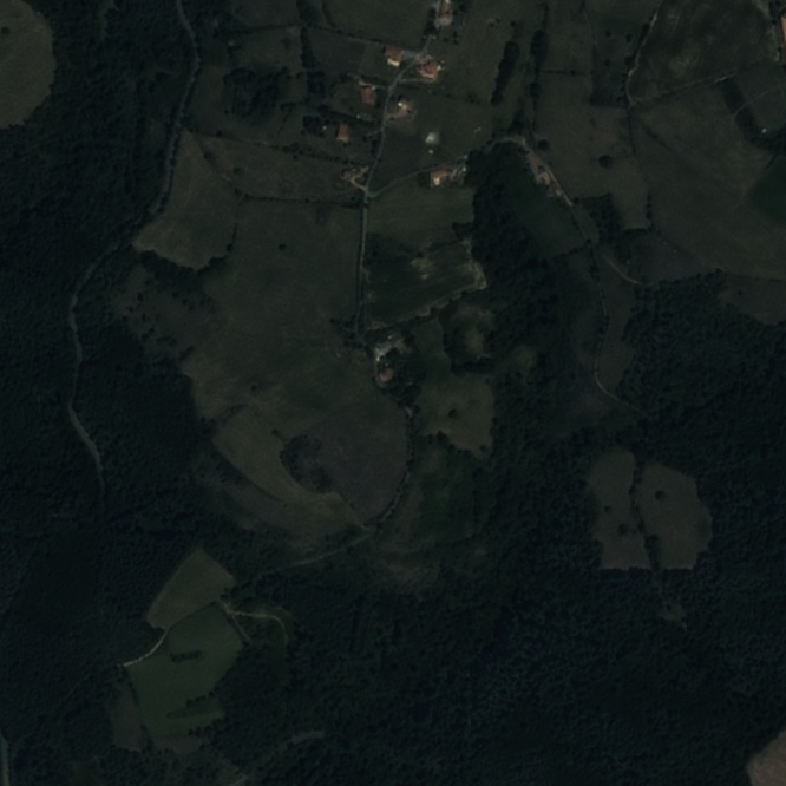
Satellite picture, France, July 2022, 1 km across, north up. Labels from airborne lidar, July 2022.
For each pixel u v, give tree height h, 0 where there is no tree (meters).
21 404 16
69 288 11
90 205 17
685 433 18
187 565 0
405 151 0
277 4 0
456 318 0
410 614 16
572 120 0
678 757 14
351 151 0
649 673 23
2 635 19
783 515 22
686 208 0
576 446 10
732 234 0
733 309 6
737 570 23
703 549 0
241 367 0
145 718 0
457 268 0
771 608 16
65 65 12
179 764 12
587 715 22
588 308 0
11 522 22
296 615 27
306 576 6
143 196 7
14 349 17
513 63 14
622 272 0
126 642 13
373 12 0
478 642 29
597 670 27
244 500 0
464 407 0
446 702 20
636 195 0
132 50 23
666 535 0
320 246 0
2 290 8
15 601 19
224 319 0
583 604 11
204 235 0
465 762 20
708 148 0
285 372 0
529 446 17
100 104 15
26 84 0
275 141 0
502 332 11
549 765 17
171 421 13
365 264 10
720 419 14
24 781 13
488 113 0
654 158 0
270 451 0
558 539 14
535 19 0
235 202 0
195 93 8
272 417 0
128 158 8
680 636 10
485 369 15
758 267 0
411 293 0
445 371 0
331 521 0
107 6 0
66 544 18
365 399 0
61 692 14
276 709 16
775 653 28
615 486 0
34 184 14
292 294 0
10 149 6
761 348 14
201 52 12
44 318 14
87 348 16
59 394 18
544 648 31
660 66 0
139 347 9
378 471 0
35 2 18
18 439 19
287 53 0
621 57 0
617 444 9
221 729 18
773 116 0
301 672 23
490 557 6
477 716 19
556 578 11
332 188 0
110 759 9
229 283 0
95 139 24
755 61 0
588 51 0
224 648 0
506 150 11
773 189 0
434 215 0
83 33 19
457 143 0
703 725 19
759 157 0
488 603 21
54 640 18
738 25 0
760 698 13
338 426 0
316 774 20
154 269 15
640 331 11
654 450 12
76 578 17
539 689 26
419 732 18
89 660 12
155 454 9
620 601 12
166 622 0
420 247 0
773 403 11
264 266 0
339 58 0
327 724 7
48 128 12
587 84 0
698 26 0
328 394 0
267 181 0
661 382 13
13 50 0
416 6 0
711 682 18
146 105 13
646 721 12
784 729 16
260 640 8
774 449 8
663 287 9
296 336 0
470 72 0
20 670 20
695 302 7
